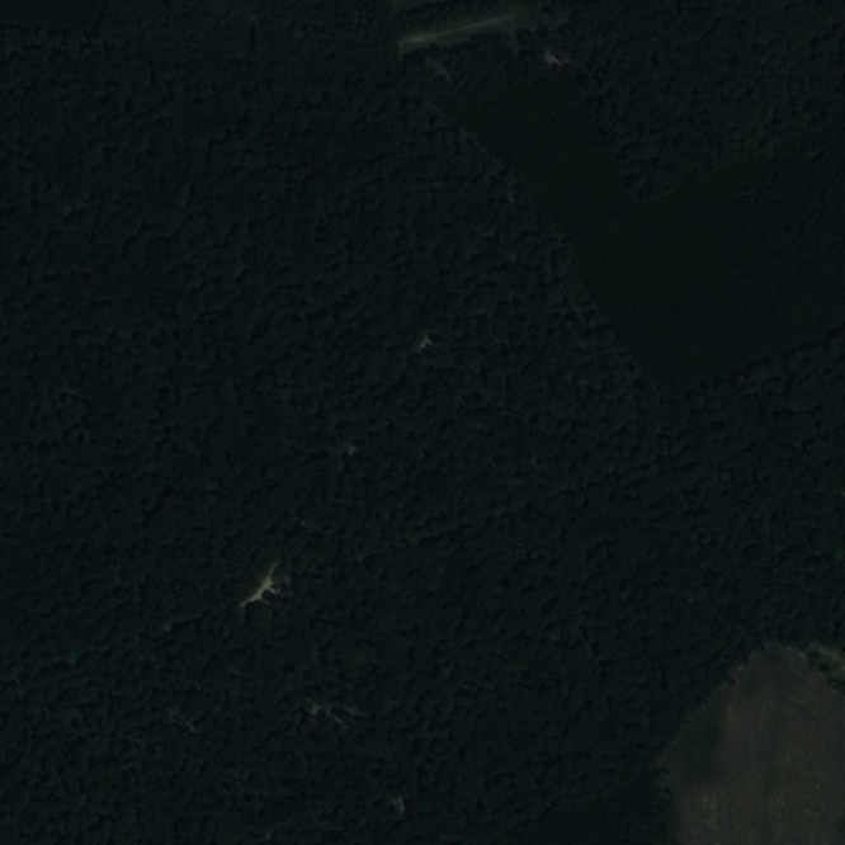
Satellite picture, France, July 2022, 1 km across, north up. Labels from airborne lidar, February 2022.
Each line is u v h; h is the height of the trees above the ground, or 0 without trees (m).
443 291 22
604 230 11
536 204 8
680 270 12
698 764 0
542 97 6
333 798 25
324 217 27
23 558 23
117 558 29
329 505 26
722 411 28
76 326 27
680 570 26
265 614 25
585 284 7
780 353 10
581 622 27
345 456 0
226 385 32
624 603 21
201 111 24
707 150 29
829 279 8
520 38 16
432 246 28
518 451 20
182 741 31
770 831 0
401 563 27
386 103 29
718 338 10
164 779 30
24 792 28
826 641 29
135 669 23
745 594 24
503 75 24
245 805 29
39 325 30
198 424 29
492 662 25
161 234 29
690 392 12
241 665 29
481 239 25
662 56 29
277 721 29
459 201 28
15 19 11
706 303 13
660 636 23
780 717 0
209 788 28
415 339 24
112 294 29
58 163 21
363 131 18
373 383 25
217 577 29
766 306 8
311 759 32
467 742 25
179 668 26
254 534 27
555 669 28
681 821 0
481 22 0
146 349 30
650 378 8
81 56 19
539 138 9
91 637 21
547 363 26
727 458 27
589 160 10
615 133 28
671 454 26
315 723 30
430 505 26
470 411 13
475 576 26
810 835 0
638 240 10
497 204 21
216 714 31
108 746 21
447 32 0
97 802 26
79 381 29
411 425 30
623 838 18
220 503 28
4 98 23
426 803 28
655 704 25
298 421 26
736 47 27
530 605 28
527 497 24
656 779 23
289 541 27
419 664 28
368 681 10
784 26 26
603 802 16
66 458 30
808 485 20
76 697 26
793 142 8
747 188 9
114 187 24
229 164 28
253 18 31
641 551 28
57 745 17
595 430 29
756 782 0
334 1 23
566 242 10
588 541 27
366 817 27
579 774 28
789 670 0
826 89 24
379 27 27
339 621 28
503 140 10
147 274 26
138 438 32
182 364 29
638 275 10
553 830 14
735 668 21
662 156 28
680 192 10
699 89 28
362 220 27
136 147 30
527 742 29
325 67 34
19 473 29
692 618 23
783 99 27
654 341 14
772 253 8
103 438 30
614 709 29
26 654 11
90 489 31
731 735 0
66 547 10
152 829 30
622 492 26
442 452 30
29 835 26
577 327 29
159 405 30
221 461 27
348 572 23
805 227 9
